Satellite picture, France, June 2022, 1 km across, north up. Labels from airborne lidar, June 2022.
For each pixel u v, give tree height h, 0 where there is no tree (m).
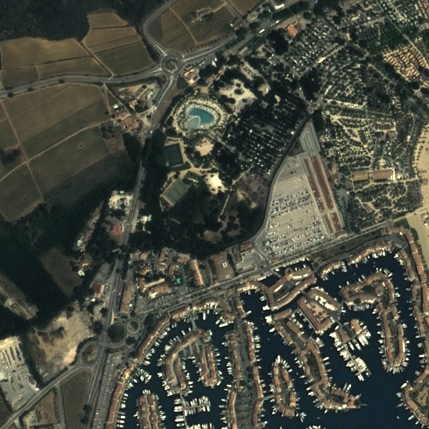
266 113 16
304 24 0
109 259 14
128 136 20
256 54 16
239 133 13
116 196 0
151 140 18
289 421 0
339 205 9
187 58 0
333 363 0
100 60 0
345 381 0
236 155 14
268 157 12
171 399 0
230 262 10
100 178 0
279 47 20
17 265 13
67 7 9
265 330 0
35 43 0
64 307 11
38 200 0
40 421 0
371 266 0
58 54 0
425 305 0
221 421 0
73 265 12
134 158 21
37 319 13
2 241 7
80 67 0
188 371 0
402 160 6
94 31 0
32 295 14
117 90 0
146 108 6
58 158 0
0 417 0
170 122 12
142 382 0
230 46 12
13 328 22
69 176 0
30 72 0
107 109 0
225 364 0
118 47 0
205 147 0
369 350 0
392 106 10
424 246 0
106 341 0
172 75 0
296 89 17
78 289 18
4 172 0
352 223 9
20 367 0
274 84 12
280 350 0
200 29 0
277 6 0
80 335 0
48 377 0
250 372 11
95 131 0
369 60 16
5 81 0
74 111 0
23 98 0
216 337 0
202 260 11
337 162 11
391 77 15
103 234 9
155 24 0
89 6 7
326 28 11
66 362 0
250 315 0
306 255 7
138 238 13
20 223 8
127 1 6
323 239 0
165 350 0
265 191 0
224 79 15
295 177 0
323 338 0
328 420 0
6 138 0
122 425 0
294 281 0
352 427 0
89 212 15
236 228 12
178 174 10
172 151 0
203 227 13
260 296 0
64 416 0
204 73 20
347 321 0
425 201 0
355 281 0
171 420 0
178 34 0
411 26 9
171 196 0
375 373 0
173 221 10
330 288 0
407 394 0
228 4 0
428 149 7
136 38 0
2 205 0
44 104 0
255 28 19
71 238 11
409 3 10
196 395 0
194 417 0
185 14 0
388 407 0
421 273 0
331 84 14
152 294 0
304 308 0
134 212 0
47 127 0
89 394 0
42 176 0
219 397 0
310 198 0
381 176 0
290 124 15
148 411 0
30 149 0
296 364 0
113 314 0
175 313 0
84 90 0
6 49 0
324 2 21
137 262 12
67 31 7
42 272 12
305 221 0
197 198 14
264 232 0
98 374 0
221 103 7
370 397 0
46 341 0
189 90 8
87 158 0
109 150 0
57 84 0
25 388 0
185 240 15
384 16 13
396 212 11
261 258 0
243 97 0
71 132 0
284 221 0
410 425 0
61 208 9
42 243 8
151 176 13
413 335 0
